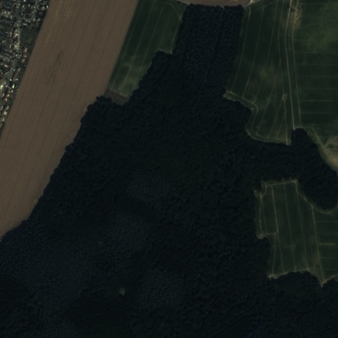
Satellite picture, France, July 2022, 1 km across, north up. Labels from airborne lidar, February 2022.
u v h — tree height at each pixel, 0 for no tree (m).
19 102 0
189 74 22
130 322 20
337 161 0
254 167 23
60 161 0
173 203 22
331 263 0
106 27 0
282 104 0
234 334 21
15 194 0
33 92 0
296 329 26
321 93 0
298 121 0
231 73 17
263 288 24
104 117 26
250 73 0
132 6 0
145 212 20
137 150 28
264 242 16
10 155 0
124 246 14
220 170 24
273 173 21
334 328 18
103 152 26
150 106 29
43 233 26
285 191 0
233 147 28
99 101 17
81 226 29
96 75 0
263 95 0
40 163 0
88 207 30
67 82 0
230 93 0
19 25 0
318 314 26
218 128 24
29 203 0
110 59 0
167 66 15
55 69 0
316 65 0
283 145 15
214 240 23
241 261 26
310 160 25
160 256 16
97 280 20
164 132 26
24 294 14
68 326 19
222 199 27
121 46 0
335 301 26
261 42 0
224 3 0
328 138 0
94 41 0
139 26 0
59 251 16
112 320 25
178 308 20
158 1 0
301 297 29
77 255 23
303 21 0
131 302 22
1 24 0
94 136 25
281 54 0
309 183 26
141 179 18
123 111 19
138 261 19
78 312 24
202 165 25
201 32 30
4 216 0
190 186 22
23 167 0
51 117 0
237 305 26
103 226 21
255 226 22
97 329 23
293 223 0
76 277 19
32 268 20
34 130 0
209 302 22
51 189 25
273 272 0
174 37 0
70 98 0
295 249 0
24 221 0
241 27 17
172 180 19
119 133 27
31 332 21
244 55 0
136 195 22
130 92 0
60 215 27
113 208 21
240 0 0
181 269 16
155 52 0
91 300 21
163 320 29
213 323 15
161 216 16
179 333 24
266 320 27
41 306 8
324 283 0
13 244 30
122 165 24
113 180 23
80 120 0
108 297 18
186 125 26
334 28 0
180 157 23
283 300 25
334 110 0
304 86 0
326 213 0
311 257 0
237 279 24
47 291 17
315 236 0
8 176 0
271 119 0
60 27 0
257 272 26
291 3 0
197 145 27
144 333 27
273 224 0
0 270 17
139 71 0
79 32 0
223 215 26
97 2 0
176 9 0
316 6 0
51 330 19
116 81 0
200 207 24
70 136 0
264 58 0
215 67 30
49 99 0
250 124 0
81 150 25
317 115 0
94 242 17
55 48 0
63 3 0
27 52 0
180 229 18
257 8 0
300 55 0
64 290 20
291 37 0
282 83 0
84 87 0
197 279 25
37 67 0
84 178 30
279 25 0
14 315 25
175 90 25
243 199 19
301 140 19
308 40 0
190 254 16
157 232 21
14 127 0
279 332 30
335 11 0
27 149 0
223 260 16
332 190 25
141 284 17
